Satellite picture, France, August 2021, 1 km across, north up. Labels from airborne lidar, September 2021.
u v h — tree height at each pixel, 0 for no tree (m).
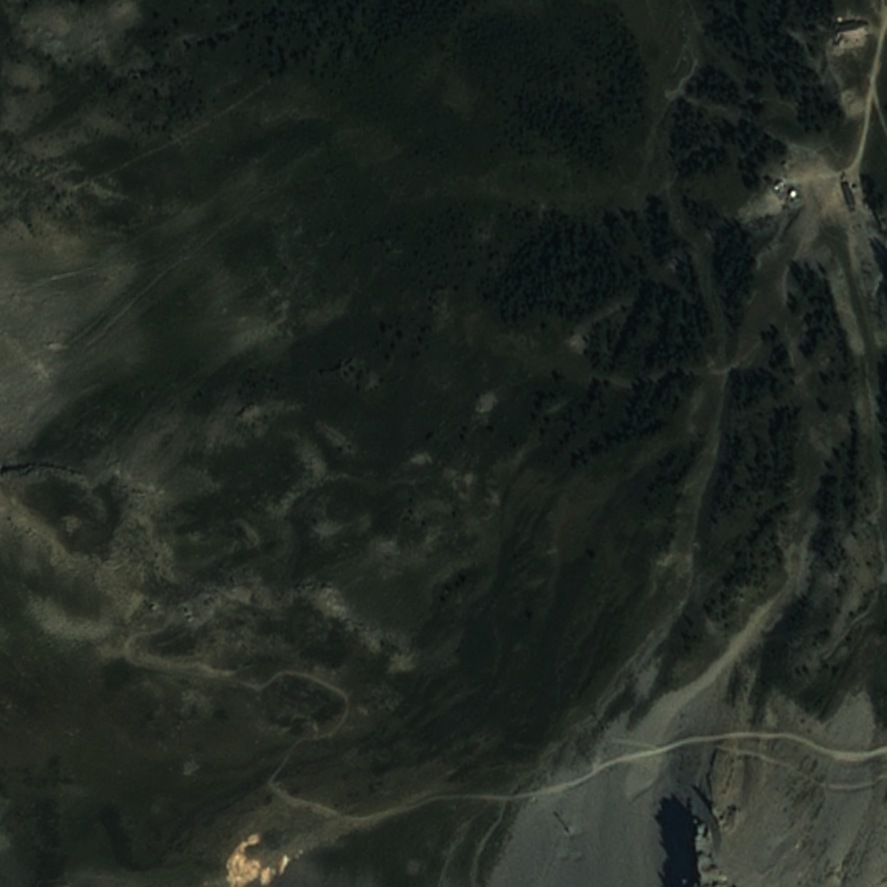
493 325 0
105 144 0
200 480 0
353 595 0
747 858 0
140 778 0
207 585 0
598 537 0
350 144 0
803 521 0
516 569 0
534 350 0
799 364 0
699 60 0
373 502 0
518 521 0
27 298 0
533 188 0
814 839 0
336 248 0
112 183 0
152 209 0
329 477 0
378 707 0
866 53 0
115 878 0
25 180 0
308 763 0
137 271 0
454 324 0
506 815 0
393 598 0
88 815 0
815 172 0
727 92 13
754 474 16
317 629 0
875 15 0
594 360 8
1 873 0
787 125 0
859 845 0
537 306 15
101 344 0
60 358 0
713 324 18
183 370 0
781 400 12
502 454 0
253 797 0
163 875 0
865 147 0
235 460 0
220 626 0
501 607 0
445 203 0
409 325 0
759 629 0
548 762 0
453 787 0
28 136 0
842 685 0
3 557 0
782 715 0
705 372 0
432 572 0
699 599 0
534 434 0
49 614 0
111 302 0
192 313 0
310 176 0
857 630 0
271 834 0
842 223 0
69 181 0
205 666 0
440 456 0
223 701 0
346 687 0
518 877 0
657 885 0
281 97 0
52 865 0
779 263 0
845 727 0
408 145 0
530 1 0
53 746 0
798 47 18
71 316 0
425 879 0
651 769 0
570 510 0
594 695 0
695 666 0
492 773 0
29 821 0
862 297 0
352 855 0
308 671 0
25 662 0
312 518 0
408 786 0
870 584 0
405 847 0
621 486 0
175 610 0
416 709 0
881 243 0
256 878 0
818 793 0
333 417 0
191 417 0
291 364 0
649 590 0
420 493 0
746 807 0
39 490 0
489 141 0
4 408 0
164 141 0
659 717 0
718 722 0
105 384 0
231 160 0
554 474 0
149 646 0
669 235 14
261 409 0
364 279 0
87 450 0
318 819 0
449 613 0
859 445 8
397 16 7
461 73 0
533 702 0
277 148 0
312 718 0
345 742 0
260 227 0
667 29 0
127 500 0
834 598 0
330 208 0
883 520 0
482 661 0
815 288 14
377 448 0
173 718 0
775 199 0
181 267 0
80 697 0
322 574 0
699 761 0
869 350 0
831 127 0
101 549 0
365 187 0
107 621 0
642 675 0
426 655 0
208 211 0
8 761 0
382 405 0
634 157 0
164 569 0
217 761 0
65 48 0
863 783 0
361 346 0
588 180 0
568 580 0
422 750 0
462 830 0
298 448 0
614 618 0
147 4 0
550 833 0
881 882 0
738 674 0
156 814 0
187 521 0
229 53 0
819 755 0
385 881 0
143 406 0
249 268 0
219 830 0
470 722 0
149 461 0
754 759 0
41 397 0
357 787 0
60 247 0
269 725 0
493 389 0
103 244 0
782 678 0
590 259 18
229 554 0
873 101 0
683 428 0
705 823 0
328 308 0
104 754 0
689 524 0
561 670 0
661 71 0
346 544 0
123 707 0
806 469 0
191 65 0
